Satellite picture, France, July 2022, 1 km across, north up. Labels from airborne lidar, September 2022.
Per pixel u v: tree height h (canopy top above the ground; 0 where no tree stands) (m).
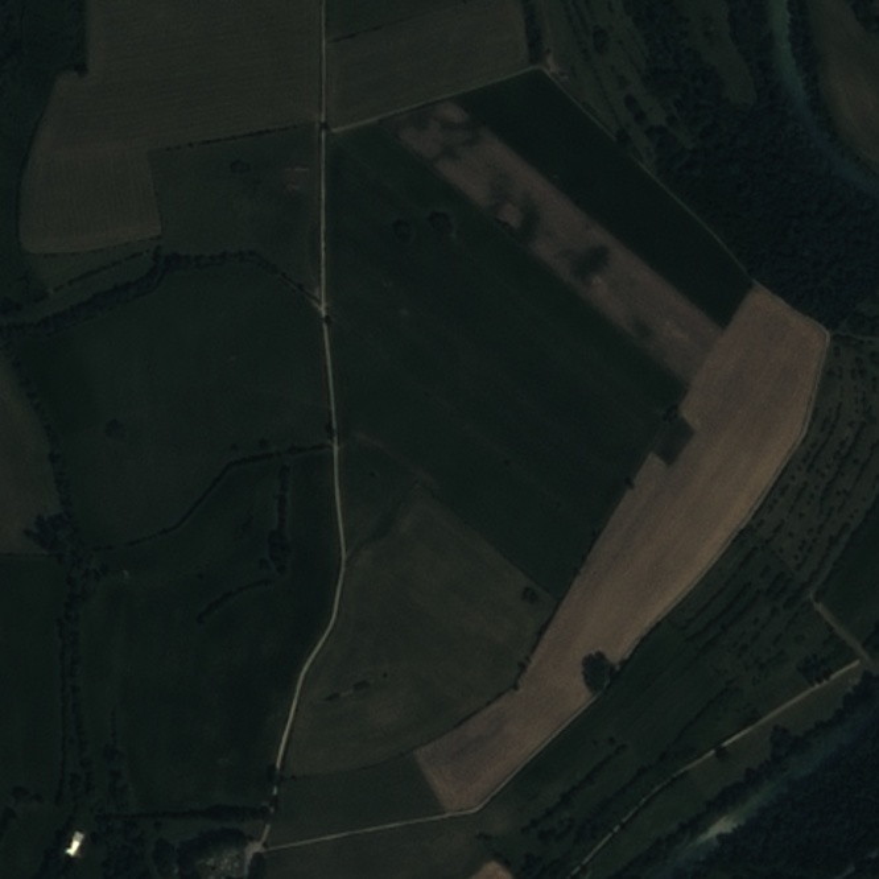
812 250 21
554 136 0
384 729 0
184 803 0
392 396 0
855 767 14
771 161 17
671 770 8
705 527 0
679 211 0
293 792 0
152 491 0
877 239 22
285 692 0
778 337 0
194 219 0
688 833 17
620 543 0
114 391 0
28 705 0
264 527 0
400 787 0
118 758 16
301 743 0
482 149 0
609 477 0
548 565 0
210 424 0
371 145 0
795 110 0
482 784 0
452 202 0
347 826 0
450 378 0
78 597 20
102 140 0
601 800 0
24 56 29
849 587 0
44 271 0
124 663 0
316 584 0
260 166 0
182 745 0
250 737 0
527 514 0
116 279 0
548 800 0
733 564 0
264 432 0
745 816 0
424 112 0
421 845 0
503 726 0
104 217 0
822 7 0
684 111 17
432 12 0
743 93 0
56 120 0
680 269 0
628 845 0
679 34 28
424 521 0
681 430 0
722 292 0
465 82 0
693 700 0
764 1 16
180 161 0
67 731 9
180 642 0
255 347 0
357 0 0
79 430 0
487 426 0
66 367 0
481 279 0
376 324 0
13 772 0
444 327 0
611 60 0
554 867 7
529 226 0
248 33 0
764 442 0
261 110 0
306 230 0
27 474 0
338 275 0
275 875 0
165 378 0
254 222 0
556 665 0
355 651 0
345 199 0
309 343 0
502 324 0
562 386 0
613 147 0
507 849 0
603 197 0
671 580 0
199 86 0
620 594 0
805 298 20
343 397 0
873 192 0
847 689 0
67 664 9
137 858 19
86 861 0
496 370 0
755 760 0
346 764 0
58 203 0
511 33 0
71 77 0
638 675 0
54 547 27
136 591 0
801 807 24
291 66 0
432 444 0
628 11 8
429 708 0
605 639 0
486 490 0
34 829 0
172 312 0
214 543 0
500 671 0
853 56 0
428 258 0
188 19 0
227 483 0
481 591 0
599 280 0
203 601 0
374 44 0
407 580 0
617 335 0
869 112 0
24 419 0
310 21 0
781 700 0
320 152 0
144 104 0
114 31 0
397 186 0
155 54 0
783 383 0
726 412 0
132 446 0
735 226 7
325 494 0
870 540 0
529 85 0
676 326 0
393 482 0
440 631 0
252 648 0
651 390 0
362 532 0
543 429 0
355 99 0
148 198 0
